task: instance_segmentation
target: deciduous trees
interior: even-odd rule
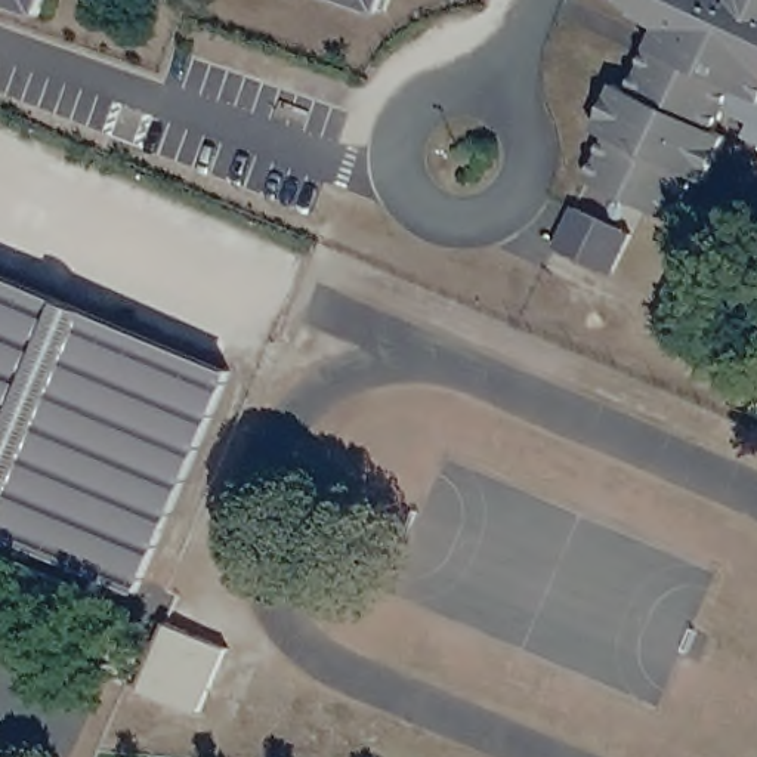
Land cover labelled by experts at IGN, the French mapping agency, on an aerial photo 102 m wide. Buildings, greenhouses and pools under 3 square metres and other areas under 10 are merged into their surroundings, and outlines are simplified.
[[[0,701],[15,713],[35,716],[41,722],[74,719],[86,719],[98,710],[103,680],[121,680],[121,671],[133,668],[136,662],[142,665],[154,636],[142,621],[130,621],[124,609],[115,609],[109,600],[83,597],[77,585],[62,583],[53,588],[24,565],[0,565]]]
[[[494,145],[491,130],[482,127],[467,130],[464,136],[449,142],[447,154],[447,160],[455,166],[455,180],[479,183],[482,189],[494,180],[503,163],[503,148]]]
[[[757,222],[751,219],[745,201],[730,201],[722,210],[704,210],[689,204],[686,219],[680,225],[665,225],[659,237],[662,275],[654,284],[654,296],[648,302],[651,334],[668,355],[683,358],[692,370],[701,370],[710,379],[710,384],[722,390],[719,402],[736,408],[748,399],[757,399]]]
[[[189,59],[192,38],[201,30],[195,24],[198,15],[213,15],[210,0],[77,0],[77,21],[89,30],[112,35],[121,44],[121,50],[136,50],[139,44],[145,44],[154,33],[157,9],[172,6],[177,18],[174,59]]]
[[[417,562],[423,550],[414,529],[408,529],[408,520],[402,515],[381,515],[370,503],[361,503],[361,497],[352,488],[337,482],[313,482],[313,476],[293,470],[278,473],[269,482],[263,479],[260,485],[245,482],[225,482],[222,494],[213,494],[207,488],[207,512],[210,556],[222,571],[222,585],[231,594],[251,600],[254,615],[263,609],[284,609],[302,624],[308,624],[313,615],[352,615],[355,621],[361,621],[373,603],[381,603],[396,588],[405,591],[417,580]]]

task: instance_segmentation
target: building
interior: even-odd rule
[[[160,349],[148,340],[103,325],[77,310],[65,310],[15,284],[0,287],[0,526],[12,532],[12,550],[21,550],[38,562],[50,565],[62,550],[80,562],[95,565],[95,583],[115,594],[139,594],[145,583],[166,523],[180,500],[183,482],[198,461],[195,452],[186,449],[186,444],[192,441],[201,411],[207,408],[216,414],[222,393],[228,387],[228,376],[222,370]]]
[[[591,160],[583,169],[583,174],[588,174],[588,186],[597,186],[603,192],[597,204],[603,204],[606,210],[612,204],[627,204],[645,213],[656,216],[665,225],[680,225],[686,219],[689,204],[686,201],[692,183],[698,183],[704,172],[710,172],[710,163],[716,160],[716,151],[722,148],[722,139],[730,127],[748,148],[757,151],[757,0],[606,0],[621,12],[621,18],[639,27],[645,30],[645,38],[639,47],[639,59],[630,68],[630,77],[624,83],[606,86],[600,92],[600,103],[591,109],[597,121],[597,130],[591,136],[597,139],[597,145],[591,148]]]
[[[198,716],[204,710],[222,674],[222,648],[213,648],[172,627],[160,627],[154,636],[142,665],[136,677],[139,698],[166,707],[169,713],[186,716]]]
[[[594,272],[606,272],[609,266],[621,269],[624,251],[630,248],[624,234],[606,228],[583,210],[568,210],[559,234],[550,237],[556,254]]]
[[[38,18],[44,0],[0,0],[0,15],[6,9],[30,9],[30,15]]]
[[[352,9],[373,9],[373,15],[387,12],[390,0],[334,0]]]

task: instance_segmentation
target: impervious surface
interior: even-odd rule
[[[0,526],[0,565],[24,565],[53,588],[62,583],[77,585],[83,597],[109,600],[115,609],[124,609],[130,621],[142,621],[145,606],[172,606],[160,585],[145,583],[139,594],[115,594],[95,583],[95,565],[80,562],[62,550],[50,565],[38,562],[21,550],[12,550],[12,532]]]
[[[515,645],[577,674],[585,674],[645,704],[656,704],[665,692],[674,662],[701,659],[707,648],[707,636],[695,627],[695,615],[707,594],[707,585],[713,583],[710,571],[689,565],[680,556],[656,550],[615,529],[606,529],[594,520],[577,517],[553,503],[544,503],[515,485],[470,470],[458,461],[441,464],[429,497],[408,503],[408,520],[408,529],[414,529],[423,550],[417,562],[417,580],[405,591],[405,600],[435,615],[467,624],[491,639]]]
[[[609,408],[606,402],[585,399],[580,393],[571,393],[568,387],[559,387],[506,361],[482,355],[473,346],[458,343],[447,334],[420,328],[408,319],[376,310],[334,287],[319,284],[305,310],[308,328],[325,331],[355,346],[346,355],[337,355],[310,370],[308,379],[302,379],[275,411],[248,408],[245,414],[231,417],[219,429],[216,444],[225,449],[231,461],[237,461],[248,473],[245,482],[260,485],[263,479],[269,482],[278,473],[293,470],[313,476],[313,482],[337,482],[334,464],[340,461],[337,449],[343,447],[343,441],[331,435],[313,435],[308,426],[349,393],[399,381],[429,381],[458,387],[470,396],[479,396],[491,405],[500,405],[559,435],[568,435],[580,444],[639,464],[683,488],[692,488],[704,497],[713,497],[730,509],[757,517],[757,470],[722,458],[710,449],[701,449],[677,435],[659,432],[630,414]]]
[[[15,713],[0,701],[0,757],[65,757],[71,754],[80,736],[80,724],[74,719],[41,722],[35,716]]]
[[[370,662],[340,648],[337,642],[331,642],[308,624],[302,624],[284,609],[263,609],[254,615],[269,642],[313,680],[370,707],[387,710],[411,724],[435,730],[447,739],[470,745],[488,757],[594,757],[583,748],[565,745],[512,719],[503,719],[491,710],[452,698],[429,683],[402,677],[393,668]]]
[[[290,92],[260,86],[254,80],[242,80],[237,74],[189,59],[174,59],[166,83],[151,83],[118,68],[83,59],[77,53],[33,41],[27,35],[6,33],[0,27],[0,101],[30,112],[33,106],[44,106],[65,118],[101,127],[103,139],[98,142],[130,148],[145,148],[148,154],[157,151],[186,166],[210,169],[213,174],[245,183],[254,192],[275,195],[281,204],[308,207],[313,192],[325,183],[334,192],[349,189],[355,195],[384,204],[384,210],[405,231],[432,245],[497,245],[535,266],[544,266],[556,254],[550,237],[559,234],[568,210],[583,210],[606,228],[624,234],[630,222],[639,222],[645,213],[627,204],[612,204],[606,210],[603,204],[597,204],[603,192],[597,186],[588,186],[588,174],[583,174],[583,169],[568,198],[559,198],[553,192],[559,169],[559,142],[553,121],[544,109],[541,71],[547,41],[559,24],[577,24],[627,50],[633,30],[639,27],[621,18],[621,12],[606,0],[512,0],[503,15],[503,24],[479,47],[441,68],[429,68],[405,80],[381,106],[370,142],[340,142],[340,130],[346,121],[343,109],[328,109]],[[432,127],[444,118],[473,115],[482,127],[491,130],[494,145],[503,148],[503,163],[494,180],[482,189],[473,195],[452,195],[444,186],[438,186],[423,169],[423,148]]]

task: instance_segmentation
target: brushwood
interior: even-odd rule
[[[24,142],[38,142],[50,151],[62,151],[65,163],[95,169],[101,174],[121,177],[130,186],[160,192],[189,210],[222,219],[245,234],[254,234],[296,254],[310,251],[316,245],[316,234],[290,225],[278,216],[266,216],[251,204],[240,204],[219,192],[210,192],[201,183],[172,174],[160,166],[151,166],[139,160],[130,148],[98,142],[74,130],[38,121],[30,112],[0,101],[0,133],[15,130]]]
[[[254,50],[263,50],[266,56],[290,59],[316,74],[328,74],[346,80],[349,86],[358,86],[364,86],[376,74],[376,68],[393,50],[399,50],[408,41],[417,41],[432,24],[449,15],[482,12],[485,0],[444,0],[441,6],[420,6],[396,27],[390,27],[358,65],[346,62],[346,50],[313,53],[302,44],[290,44],[269,33],[213,15],[198,15],[195,24],[201,30],[225,35],[231,41],[242,41]]]

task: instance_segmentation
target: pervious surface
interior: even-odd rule
[[[512,0],[485,0],[482,12],[449,15],[432,24],[417,41],[408,41],[399,50],[393,50],[376,68],[376,74],[364,86],[358,86],[346,98],[343,109],[346,121],[340,130],[340,142],[370,142],[381,106],[405,80],[429,68],[441,68],[479,47],[503,24],[503,15]]]
[[[245,234],[222,219],[189,210],[160,192],[130,186],[121,177],[101,174],[95,169],[65,163],[62,151],[50,151],[38,142],[24,142],[15,130],[0,133],[0,287],[15,284],[65,310],[77,310],[103,325],[148,340],[160,349],[222,370],[237,349],[257,349],[257,343],[266,337],[272,316],[278,313],[293,287],[296,254],[254,234]]]

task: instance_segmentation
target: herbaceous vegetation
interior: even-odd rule
[[[444,0],[390,0],[387,12],[373,15],[373,9],[352,9],[334,0],[210,0],[213,15],[269,33],[290,44],[302,44],[313,53],[346,50],[346,62],[358,65],[390,27],[396,27],[420,6],[441,6]]]
[[[597,121],[591,109],[600,103],[600,92],[606,86],[624,83],[630,77],[630,68],[639,59],[639,47],[645,38],[645,30],[639,27],[633,30],[627,50],[577,24],[559,24],[547,41],[541,71],[544,109],[553,121],[559,142],[559,169],[553,192],[559,198],[568,198],[583,169],[591,160],[591,148],[597,145],[597,139],[591,136],[597,130]]]
[[[44,106],[33,106],[30,112],[38,121],[74,130],[98,142],[103,139],[101,127],[65,118]]]
[[[154,33],[145,44],[139,44],[136,50],[121,50],[121,44],[112,35],[89,30],[77,21],[77,0],[44,0],[38,18],[30,15],[30,9],[6,9],[0,15],[0,27],[6,33],[27,35],[33,41],[77,53],[83,59],[118,68],[151,83],[166,83],[174,59],[177,18],[172,6],[157,9]]]
[[[503,719],[512,719],[565,745],[583,748],[594,757],[757,757],[757,517],[730,509],[713,497],[704,497],[692,488],[683,488],[639,464],[580,444],[568,435],[559,435],[500,405],[491,405],[479,396],[470,396],[458,387],[429,381],[399,381],[349,393],[308,426],[313,435],[331,435],[343,441],[343,447],[337,449],[340,461],[334,464],[337,482],[352,488],[361,497],[361,503],[370,503],[381,515],[402,515],[408,520],[408,503],[429,497],[441,464],[458,461],[470,470],[515,485],[544,503],[553,503],[577,517],[594,520],[606,529],[615,529],[656,550],[680,556],[689,565],[710,571],[713,583],[707,585],[707,594],[695,615],[695,627],[707,636],[707,648],[701,659],[674,662],[665,692],[656,704],[645,704],[585,674],[577,674],[515,645],[491,639],[467,624],[435,615],[405,600],[405,591],[396,588],[381,603],[373,603],[361,621],[355,621],[352,615],[313,615],[308,624],[331,642],[337,642],[340,648],[370,662],[393,668],[402,677],[429,683],[452,698],[491,710]]]
[[[210,556],[207,512],[207,488],[213,494],[222,494],[225,482],[245,482],[248,473],[237,461],[231,461],[225,449],[216,444],[219,429],[231,417],[245,414],[248,408],[275,411],[302,379],[308,379],[310,370],[337,355],[346,355],[355,346],[325,331],[308,328],[305,310],[319,284],[334,287],[376,310],[408,319],[420,328],[447,334],[458,343],[473,346],[482,355],[506,361],[559,387],[568,387],[571,393],[580,393],[585,399],[606,402],[609,408],[630,414],[659,432],[677,435],[701,449],[710,449],[722,458],[757,470],[757,399],[748,399],[736,408],[719,402],[722,390],[710,384],[710,379],[701,370],[692,370],[683,358],[668,355],[651,334],[648,302],[654,296],[654,284],[662,275],[659,237],[665,225],[656,216],[645,213],[639,222],[630,222],[624,234],[630,248],[624,251],[621,269],[609,266],[606,272],[594,272],[556,254],[544,266],[535,266],[497,245],[432,245],[405,231],[384,210],[384,204],[355,195],[349,189],[334,192],[325,183],[313,192],[308,207],[281,204],[275,195],[254,192],[245,183],[213,174],[210,169],[186,166],[157,151],[148,154],[145,148],[130,148],[139,160],[151,166],[160,166],[172,174],[201,183],[210,192],[219,192],[240,204],[251,204],[266,216],[278,216],[290,225],[316,234],[316,245],[310,251],[296,254],[293,287],[278,313],[272,316],[266,337],[257,343],[257,349],[237,349],[222,370],[228,376],[228,387],[222,393],[216,414],[207,408],[201,411],[192,441],[186,444],[186,449],[195,452],[198,461],[183,482],[180,500],[166,523],[145,583],[160,585],[172,606],[145,606],[142,621],[154,636],[160,627],[172,627],[213,648],[222,648],[222,674],[204,710],[198,716],[186,716],[169,713],[166,707],[139,698],[136,677],[142,665],[136,662],[133,668],[121,671],[121,680],[103,680],[98,710],[86,719],[74,719],[80,724],[80,736],[71,754],[65,757],[488,757],[470,745],[447,739],[435,730],[411,724],[387,710],[370,707],[313,680],[269,642],[254,615],[251,600],[231,594],[222,585],[222,571]]]
[[[242,41],[231,41],[225,35],[201,30],[192,38],[189,59],[237,74],[242,80],[254,80],[260,86],[290,92],[328,109],[343,109],[346,98],[358,86],[349,86],[346,80],[328,74],[316,74],[290,59],[266,56],[263,50],[254,50]]]
[[[444,186],[452,195],[473,195],[482,189],[479,183],[455,180],[455,166],[447,160],[447,154],[449,142],[464,136],[467,130],[482,127],[473,115],[444,118],[432,127],[423,148],[423,169],[438,186]]]
[[[698,183],[692,183],[686,201],[689,204],[704,210],[722,210],[730,201],[745,201],[751,219],[757,222],[757,151],[748,148],[730,127],[722,139],[722,148],[716,151],[716,160],[710,163],[710,172],[704,172]]]

